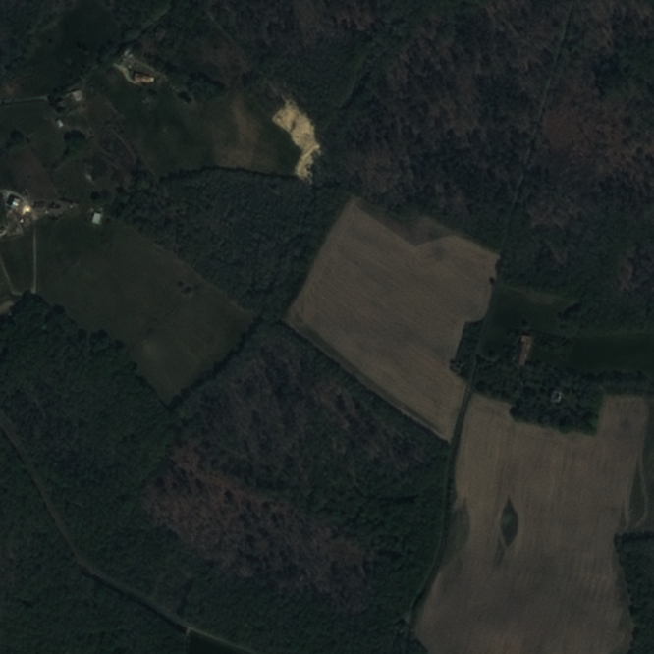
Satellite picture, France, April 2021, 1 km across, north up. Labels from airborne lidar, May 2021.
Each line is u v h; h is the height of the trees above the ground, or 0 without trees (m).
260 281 12
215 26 13
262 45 20
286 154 0
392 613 13
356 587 8
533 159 12
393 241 0
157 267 0
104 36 0
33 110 0
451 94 20
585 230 17
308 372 20
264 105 22
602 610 0
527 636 0
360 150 22
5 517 23
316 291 0
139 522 19
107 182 0
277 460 13
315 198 11
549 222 13
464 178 24
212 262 19
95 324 0
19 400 19
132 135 0
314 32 15
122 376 21
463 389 0
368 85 21
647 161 9
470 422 0
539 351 0
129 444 26
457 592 0
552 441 0
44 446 19
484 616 0
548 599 0
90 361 19
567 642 0
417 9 22
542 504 0
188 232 14
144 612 17
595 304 17
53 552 20
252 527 20
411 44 18
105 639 21
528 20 20
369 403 20
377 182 14
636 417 0
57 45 0
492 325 0
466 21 25
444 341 0
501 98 24
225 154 0
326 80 27
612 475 0
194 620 17
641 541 19
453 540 0
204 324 0
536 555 0
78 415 22
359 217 0
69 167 0
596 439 0
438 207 11
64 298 0
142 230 15
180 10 22
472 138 14
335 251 0
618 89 23
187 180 21
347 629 21
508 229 15
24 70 14
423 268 0
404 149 14
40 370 20
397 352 0
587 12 16
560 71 10
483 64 12
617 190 20
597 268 18
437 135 15
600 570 0
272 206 9
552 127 0
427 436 20
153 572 21
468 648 0
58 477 19
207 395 17
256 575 10
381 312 0
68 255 0
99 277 0
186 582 6
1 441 18
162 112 0
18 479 26
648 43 14
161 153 0
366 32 10
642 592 13
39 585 24
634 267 9
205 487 12
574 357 0
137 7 16
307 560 13
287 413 16
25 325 24
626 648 0
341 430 13
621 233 25
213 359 0
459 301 0
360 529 25
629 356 0
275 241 21
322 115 17
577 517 0
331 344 0
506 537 0
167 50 10
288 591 14
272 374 13
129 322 0
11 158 0
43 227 0
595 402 22
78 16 0
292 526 12
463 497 0
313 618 20
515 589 0
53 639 19
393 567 14
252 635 17
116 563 28
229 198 7
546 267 23
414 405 0
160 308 0
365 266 0
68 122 0
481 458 0
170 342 0
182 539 14
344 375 21
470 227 15
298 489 21
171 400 0
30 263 0
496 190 23
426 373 0
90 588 21
